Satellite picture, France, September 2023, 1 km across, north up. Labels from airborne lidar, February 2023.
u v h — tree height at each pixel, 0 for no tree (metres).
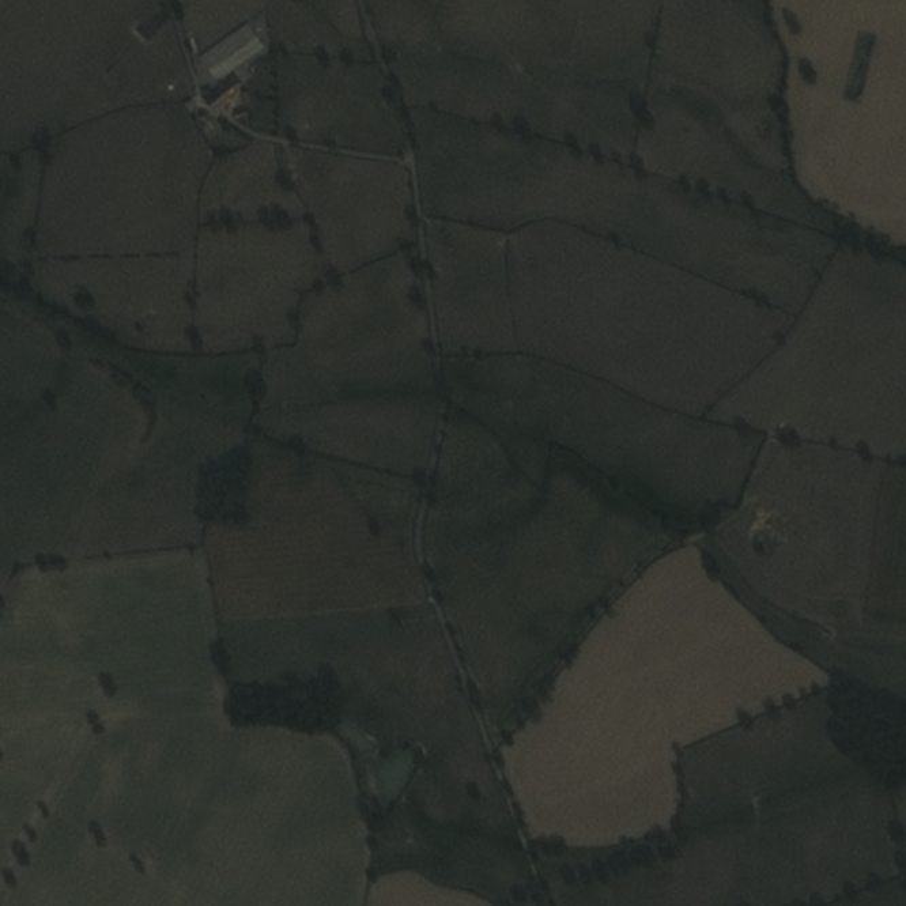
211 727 0
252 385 16
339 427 0
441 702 0
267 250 0
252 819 0
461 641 0
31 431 0
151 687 0
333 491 0
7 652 0
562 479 0
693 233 0
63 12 0
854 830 0
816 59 0
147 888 0
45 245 0
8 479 0
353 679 0
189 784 0
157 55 0
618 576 0
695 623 0
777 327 0
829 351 0
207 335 0
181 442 0
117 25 0
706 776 0
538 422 0
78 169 0
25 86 0
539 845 8
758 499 0
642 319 0
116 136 0
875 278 0
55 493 0
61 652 0
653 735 0
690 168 0
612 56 0
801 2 0
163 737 0
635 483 0
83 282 0
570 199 0
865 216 0
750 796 0
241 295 0
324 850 0
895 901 0
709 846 0
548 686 12
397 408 0
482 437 0
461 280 0
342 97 0
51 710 0
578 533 0
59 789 0
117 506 0
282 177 13
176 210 0
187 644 0
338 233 0
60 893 0
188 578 0
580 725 0
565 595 0
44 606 0
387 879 0
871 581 0
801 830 0
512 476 0
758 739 0
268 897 0
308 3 0
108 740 0
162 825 0
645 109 17
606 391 0
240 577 0
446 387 18
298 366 0
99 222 0
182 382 0
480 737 0
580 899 0
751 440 0
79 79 0
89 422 0
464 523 0
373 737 0
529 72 0
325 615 0
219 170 0
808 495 0
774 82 0
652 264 0
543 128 0
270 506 0
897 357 0
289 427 0
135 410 0
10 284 18
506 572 0
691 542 0
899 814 0
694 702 0
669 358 0
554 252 0
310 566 0
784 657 0
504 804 0
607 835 0
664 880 0
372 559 0
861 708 23
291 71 0
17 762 0
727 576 0
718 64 0
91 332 17
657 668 0
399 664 0
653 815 0
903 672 0
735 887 0
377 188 0
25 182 0
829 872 0
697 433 0
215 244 0
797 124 0
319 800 0
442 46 0
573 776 0
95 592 0
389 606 0
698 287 0
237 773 0
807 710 0
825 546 0
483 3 0
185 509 0
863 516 0
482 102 0
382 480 0
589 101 0
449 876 0
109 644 0
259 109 0
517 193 0
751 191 0
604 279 0
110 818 0
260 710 20
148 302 0
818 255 0
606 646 0
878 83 0
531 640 0
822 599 0
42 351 0
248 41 0
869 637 0
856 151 0
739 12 0
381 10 0
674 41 0
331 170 0
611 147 0
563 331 0
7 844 0
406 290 0
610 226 0
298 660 0
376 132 0
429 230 0
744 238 0
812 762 0
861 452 13
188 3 0
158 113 0
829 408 0
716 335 0
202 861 0
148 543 0
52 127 0
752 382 0
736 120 0
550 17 0
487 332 0
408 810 0
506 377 0
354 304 0
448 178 0
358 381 0
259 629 0
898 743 22
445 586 0
